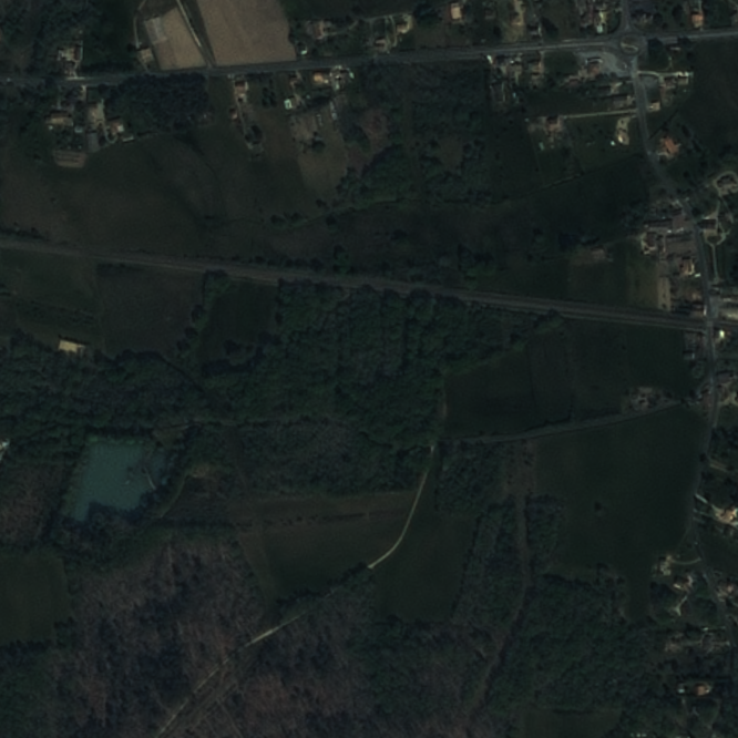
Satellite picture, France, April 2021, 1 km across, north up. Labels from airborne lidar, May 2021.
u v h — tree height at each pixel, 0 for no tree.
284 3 0
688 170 0
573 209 0
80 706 14
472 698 19
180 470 18
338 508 0
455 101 10
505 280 0
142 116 20
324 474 7
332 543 0
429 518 0
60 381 23
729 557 0
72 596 11
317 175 0
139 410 15
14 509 8
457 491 12
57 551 17
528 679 22
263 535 0
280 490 13
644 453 0
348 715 9
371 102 9
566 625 18
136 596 15
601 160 0
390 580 0
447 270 6
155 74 0
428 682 10
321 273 20
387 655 17
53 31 13
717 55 0
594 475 0
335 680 11
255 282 0
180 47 0
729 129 0
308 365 23
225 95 0
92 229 0
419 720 21
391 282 9
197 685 18
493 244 0
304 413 15
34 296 0
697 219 12
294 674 22
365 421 20
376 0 0
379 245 0
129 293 0
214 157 0
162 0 0
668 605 22
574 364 0
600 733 0
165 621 23
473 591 12
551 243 0
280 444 8
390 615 0
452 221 0
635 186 0
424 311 19
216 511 7
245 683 11
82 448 15
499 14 0
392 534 0
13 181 0
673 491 0
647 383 0
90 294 0
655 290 0
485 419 0
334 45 13
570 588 16
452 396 0
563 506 14
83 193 0
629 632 10
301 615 19
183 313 0
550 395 0
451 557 0
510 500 7
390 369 24
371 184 16
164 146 0
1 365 11
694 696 6
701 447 0
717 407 0
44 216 0
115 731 21
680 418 0
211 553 15
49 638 0
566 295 0
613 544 0
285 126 0
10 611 0
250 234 0
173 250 0
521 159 0
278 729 17
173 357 0
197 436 16
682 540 0
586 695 14
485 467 5
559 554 8
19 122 0
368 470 17
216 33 0
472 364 20
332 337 16
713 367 0
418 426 23
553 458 0
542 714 0
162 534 16
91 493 0
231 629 11
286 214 0
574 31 10
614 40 0
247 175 0
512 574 20
